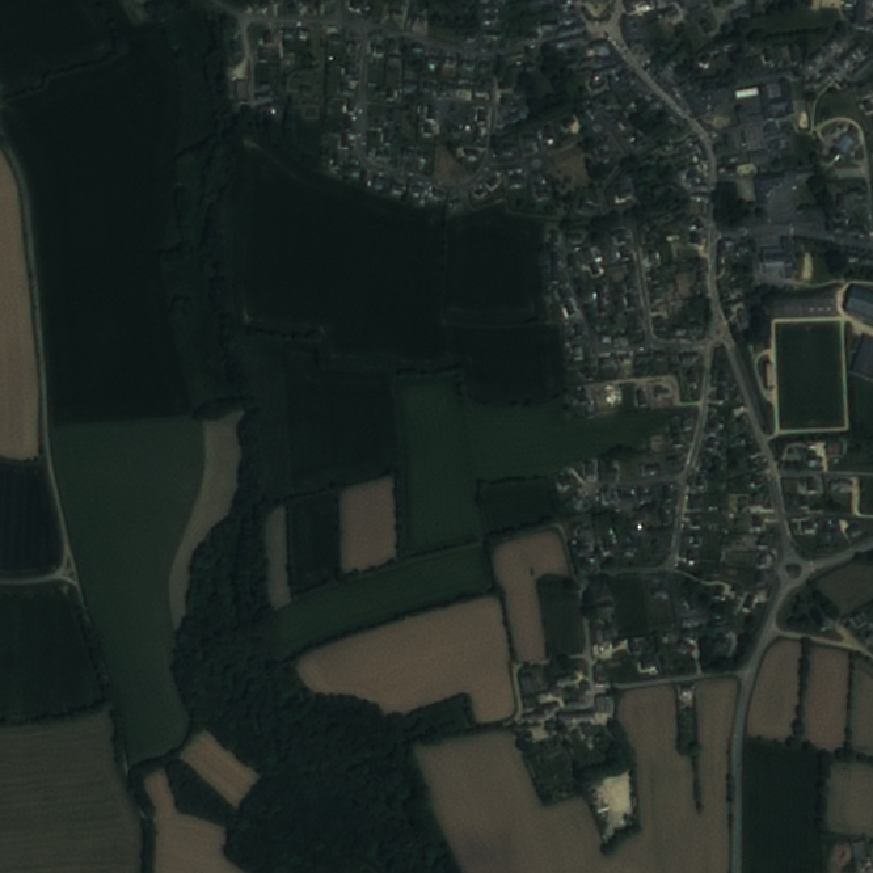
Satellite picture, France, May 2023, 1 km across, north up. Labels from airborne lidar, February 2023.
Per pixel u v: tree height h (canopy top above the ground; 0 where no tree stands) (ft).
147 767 34
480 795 0
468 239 0
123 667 0
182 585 0
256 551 55
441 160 0
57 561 0
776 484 0
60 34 0
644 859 0
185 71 0
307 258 0
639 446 0
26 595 0
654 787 0
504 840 0
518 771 0
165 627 0
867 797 0
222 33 31
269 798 59
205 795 27
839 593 0
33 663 0
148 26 0
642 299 0
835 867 0
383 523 0
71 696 0
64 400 0
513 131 22
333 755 46
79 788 0
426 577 0
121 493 0
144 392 0
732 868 0
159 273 0
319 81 0
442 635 0
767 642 0
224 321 56
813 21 0
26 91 30
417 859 22
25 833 0
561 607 0
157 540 0
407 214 0
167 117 0
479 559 0
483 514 0
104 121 0
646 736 0
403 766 62
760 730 0
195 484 0
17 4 0
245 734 69
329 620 0
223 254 40
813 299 0
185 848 0
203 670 73
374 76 0
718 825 0
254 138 0
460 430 0
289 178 0
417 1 0
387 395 0
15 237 0
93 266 0
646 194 23
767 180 0
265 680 30
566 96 40
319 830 51
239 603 54
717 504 0
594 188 28
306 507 0
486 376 0
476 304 0
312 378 0
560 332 0
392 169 0
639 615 0
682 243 0
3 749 0
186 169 0
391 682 0
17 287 0
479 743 0
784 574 0
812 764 0
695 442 0
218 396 0
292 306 0
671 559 0
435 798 0
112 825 0
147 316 0
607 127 0
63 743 0
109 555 0
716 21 0
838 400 0
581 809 0
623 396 0
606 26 0
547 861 0
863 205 0
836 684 0
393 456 0
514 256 0
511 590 0
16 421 0
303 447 0
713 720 0
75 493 0
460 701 23
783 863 0
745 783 0
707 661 39
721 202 51
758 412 0
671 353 0
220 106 23
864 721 0
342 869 0
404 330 0
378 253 0
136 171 0
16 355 0
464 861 0
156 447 0
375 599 0
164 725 0
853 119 0
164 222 0
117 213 0
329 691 0
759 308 24
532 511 0
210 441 0
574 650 0
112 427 0
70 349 0
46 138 0
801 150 0
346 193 0
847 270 30
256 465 72
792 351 0
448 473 0
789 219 0
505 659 0
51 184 0
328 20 0
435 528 0
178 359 0
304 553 0
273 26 0
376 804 38
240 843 53
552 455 0
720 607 22
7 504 0
